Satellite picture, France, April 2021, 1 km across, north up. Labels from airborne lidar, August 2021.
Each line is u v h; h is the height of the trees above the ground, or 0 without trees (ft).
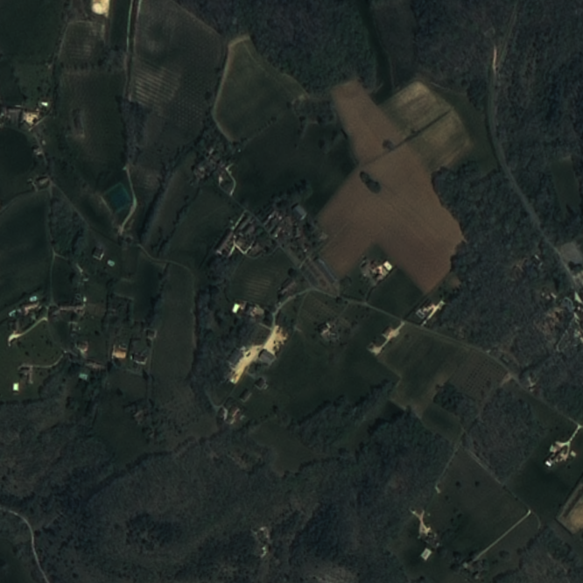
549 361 55
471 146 0
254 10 87
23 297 18
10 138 0
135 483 66
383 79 0
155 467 60
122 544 39
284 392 0
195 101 0
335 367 0
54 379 44
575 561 38
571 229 63
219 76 34
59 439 63
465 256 56
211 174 17
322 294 0
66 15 28
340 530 47
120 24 0
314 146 0
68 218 43
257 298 0
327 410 56
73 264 52
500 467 52
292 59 60
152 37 0
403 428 65
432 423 0
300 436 51
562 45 75
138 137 54
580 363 51
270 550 47
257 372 42
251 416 0
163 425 35
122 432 0
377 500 55
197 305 47
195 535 60
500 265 73
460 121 0
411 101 0
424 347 0
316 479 59
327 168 0
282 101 0
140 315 0
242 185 0
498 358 49
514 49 39
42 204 0
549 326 69
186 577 40
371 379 0
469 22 59
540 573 45
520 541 0
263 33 62
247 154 0
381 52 0
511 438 52
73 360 46
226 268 66
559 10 67
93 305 0
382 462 43
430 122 0
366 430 0
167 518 48
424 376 0
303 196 57
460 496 0
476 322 70
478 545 0
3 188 0
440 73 52
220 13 57
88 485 72
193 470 44
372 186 31
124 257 0
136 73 0
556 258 59
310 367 0
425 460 47
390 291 0
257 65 0
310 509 48
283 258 0
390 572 62
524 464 36
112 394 0
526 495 0
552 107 66
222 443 63
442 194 62
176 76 0
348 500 51
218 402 0
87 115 0
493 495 0
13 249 0
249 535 37
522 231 69
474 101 36
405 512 58
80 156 0
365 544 48
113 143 0
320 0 61
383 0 43
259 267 0
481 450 20
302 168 0
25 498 20
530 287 68
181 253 0
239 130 0
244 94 0
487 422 42
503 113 53
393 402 0
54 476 57
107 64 49
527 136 46
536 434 49
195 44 0
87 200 0
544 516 0
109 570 22
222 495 58
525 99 55
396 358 0
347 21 72
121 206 0
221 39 61
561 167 0
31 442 76
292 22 55
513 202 72
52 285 0
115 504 56
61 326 0
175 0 67
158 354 0
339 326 23
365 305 0
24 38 0
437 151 0
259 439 0
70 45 0
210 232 0
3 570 72
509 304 66
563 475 0
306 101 22
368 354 0
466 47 52
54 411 58
